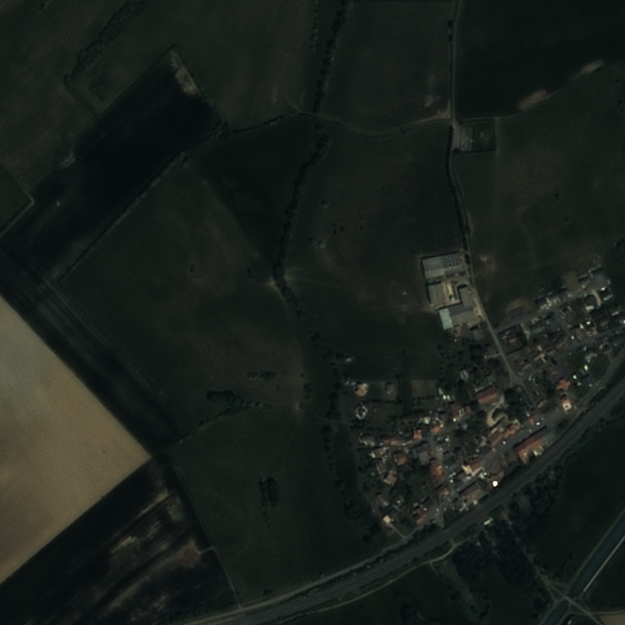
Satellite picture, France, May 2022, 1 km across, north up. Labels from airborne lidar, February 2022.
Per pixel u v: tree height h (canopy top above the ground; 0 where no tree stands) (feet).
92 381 0
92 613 0
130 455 0
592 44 0
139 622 0
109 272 0
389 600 0
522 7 0
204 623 0
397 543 0
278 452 0
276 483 52
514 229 0
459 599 39
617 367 0
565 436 0
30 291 0
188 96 0
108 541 0
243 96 0
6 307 0
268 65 0
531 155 0
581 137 0
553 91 0
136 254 0
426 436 0
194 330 0
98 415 0
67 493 0
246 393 0
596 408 0
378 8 0
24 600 0
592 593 0
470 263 26
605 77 0
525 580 95
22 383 0
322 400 0
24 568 0
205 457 0
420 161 0
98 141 0
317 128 37
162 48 0
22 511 0
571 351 0
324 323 0
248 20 0
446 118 0
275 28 0
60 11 0
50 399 0
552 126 0
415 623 97
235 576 0
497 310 0
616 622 0
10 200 0
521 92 0
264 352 0
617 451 0
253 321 0
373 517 0
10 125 0
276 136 0
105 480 0
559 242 0
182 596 0
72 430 0
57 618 0
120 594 0
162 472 0
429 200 0
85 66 20
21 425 0
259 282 0
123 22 19
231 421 0
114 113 0
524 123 0
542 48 0
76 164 0
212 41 0
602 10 0
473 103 0
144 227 0
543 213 0
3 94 0
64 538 0
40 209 0
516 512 80
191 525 0
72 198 0
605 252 0
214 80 0
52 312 0
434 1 0
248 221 0
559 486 31
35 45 0
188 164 23
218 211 0
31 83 0
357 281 0
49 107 0
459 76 0
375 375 0
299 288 0
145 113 0
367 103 0
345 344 0
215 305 0
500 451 0
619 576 0
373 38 0
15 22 0
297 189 39
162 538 0
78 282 0
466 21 0
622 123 0
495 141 0
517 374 0
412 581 0
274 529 0
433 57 0
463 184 0
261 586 0
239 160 0
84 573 0
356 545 0
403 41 0
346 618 0
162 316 0
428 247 0
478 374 28
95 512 0
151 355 0
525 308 0
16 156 0
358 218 0
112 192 0
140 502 0
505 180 0
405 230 0
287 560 0
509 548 102
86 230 0
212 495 0
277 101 0
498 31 0
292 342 0
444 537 0
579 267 0
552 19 0
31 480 0
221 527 0
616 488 0
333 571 0
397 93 0
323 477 0
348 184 0
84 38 0
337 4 0
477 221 0
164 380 0
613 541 0
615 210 0
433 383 0
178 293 0
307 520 0
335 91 0
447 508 0
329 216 0
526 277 0
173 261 0
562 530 0
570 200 0
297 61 0
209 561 0
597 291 0
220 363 0
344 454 0
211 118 0
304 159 0
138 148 0
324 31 0
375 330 0
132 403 0
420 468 20
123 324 0
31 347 0
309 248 0
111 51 0
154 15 0
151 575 0
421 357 0
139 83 0
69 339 0
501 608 0
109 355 0
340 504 0
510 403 39
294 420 0
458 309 0
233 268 0
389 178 0
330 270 0
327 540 0
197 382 0
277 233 0
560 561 0
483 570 77
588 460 0
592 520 0
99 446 0
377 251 0
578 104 0
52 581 0
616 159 0
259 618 0
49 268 0
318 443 0
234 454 0
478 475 0
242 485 0
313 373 0
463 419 0
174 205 0
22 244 0
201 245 0
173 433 0
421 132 0
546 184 0
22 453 0
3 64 0
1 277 0
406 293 0
